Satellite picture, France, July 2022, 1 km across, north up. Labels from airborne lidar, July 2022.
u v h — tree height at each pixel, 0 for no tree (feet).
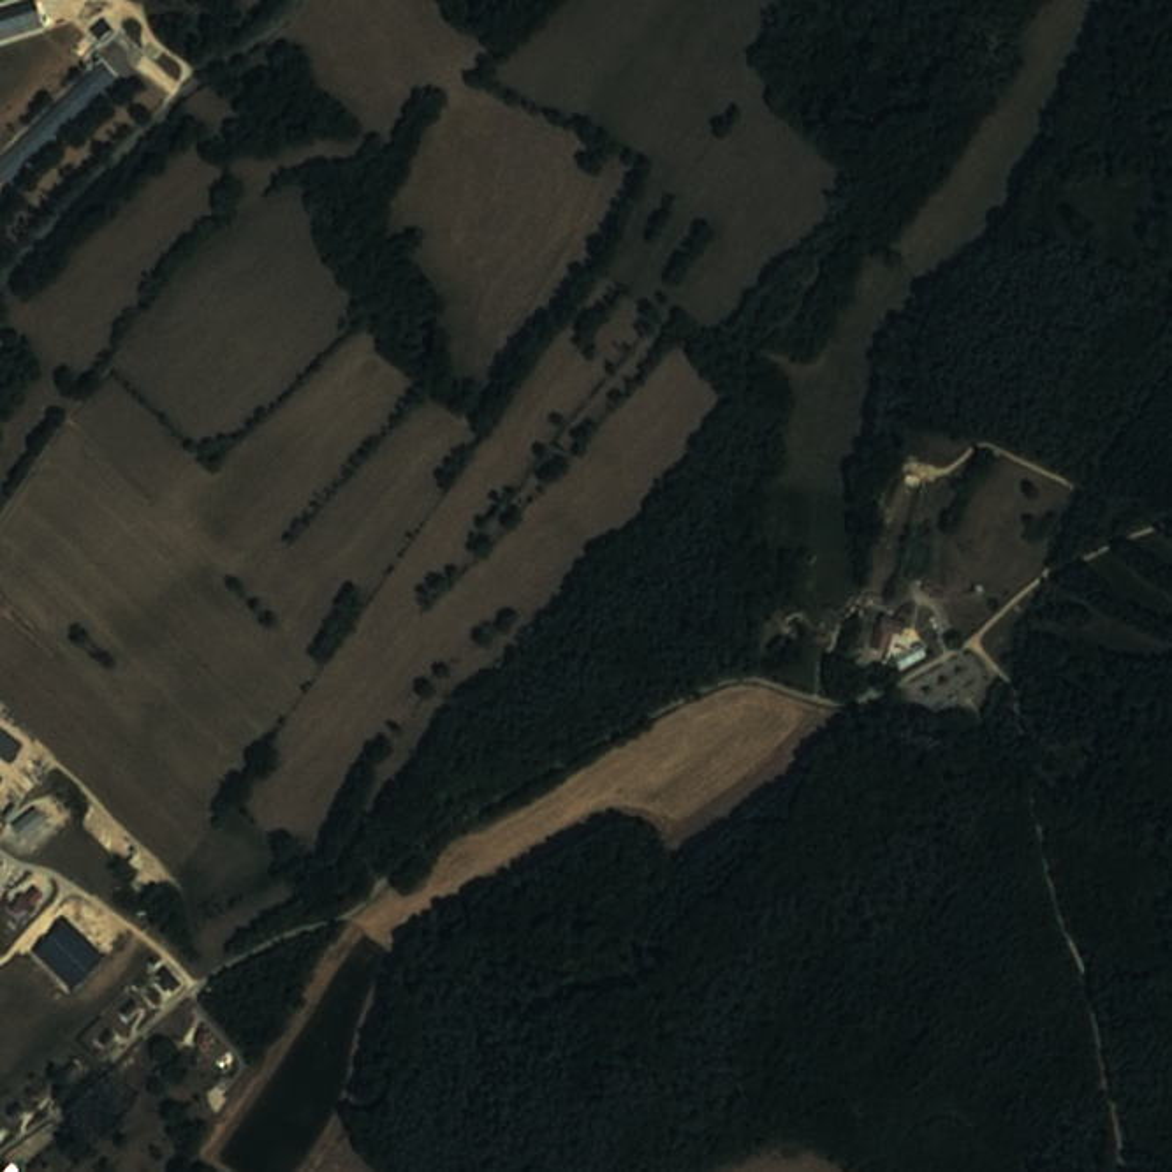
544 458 56
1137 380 55
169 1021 0
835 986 50
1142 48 73
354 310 36
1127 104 56
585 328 53
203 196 0
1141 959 41
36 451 39
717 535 76
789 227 0
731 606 88
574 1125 76
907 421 68
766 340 43
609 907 58
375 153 42
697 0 0
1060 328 73
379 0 0
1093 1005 41
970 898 55
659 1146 51
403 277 51
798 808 89
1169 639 67
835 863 58
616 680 68
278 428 0
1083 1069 41
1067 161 54
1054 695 90
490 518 25
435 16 0
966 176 0
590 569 55
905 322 69
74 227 53
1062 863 39
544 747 43
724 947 66
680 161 0
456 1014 73
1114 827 43
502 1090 76
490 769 49
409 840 46
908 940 67
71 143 54
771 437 64
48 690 0
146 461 0
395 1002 87
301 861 74
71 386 46
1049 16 0
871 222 60
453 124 0
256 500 0
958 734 53
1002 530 0
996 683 25
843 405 0
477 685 51
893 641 0
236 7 34
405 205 0
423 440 0
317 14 0
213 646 0
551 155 0
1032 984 33
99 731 0
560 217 0
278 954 32
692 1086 52
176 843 0
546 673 66
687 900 85
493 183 0
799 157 0
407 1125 63
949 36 28
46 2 0
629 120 0
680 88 0
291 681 0
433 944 104
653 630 70
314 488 0
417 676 0
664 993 78
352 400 0
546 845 0
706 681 60
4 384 54
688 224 0
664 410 0
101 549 0
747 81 0
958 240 0
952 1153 33
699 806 0
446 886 0
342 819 63
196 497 0
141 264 0
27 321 0
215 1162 0
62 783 0
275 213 0
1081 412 49
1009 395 78
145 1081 0
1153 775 70
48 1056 0
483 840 0
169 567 0
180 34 70
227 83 50
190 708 0
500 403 67
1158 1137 47
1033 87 0
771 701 0
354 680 0
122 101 50
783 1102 51
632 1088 81
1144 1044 40
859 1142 42
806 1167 0
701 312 0
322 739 0
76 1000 0
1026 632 28
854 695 52
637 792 0
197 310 0
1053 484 0
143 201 0
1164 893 33
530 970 68
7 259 62
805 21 52
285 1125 0
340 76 0
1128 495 56
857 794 54
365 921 0
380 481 0
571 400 0
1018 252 81
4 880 0
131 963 0
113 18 0
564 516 0
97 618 0
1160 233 75
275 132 63
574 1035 70
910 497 0
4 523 0
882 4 78
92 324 0
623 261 0
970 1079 36
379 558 0
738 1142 60
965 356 87
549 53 0
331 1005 0
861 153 78
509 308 0
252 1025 30
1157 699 72
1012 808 45
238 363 0
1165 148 69
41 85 0
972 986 37
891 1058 38
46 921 0
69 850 0
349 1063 0
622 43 0
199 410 0
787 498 0
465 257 0
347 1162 0
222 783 0
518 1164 79
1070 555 59
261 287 0
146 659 0
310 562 0
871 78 35
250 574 0
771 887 54
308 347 0
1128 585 0
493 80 33
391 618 0
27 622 0
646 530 65
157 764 0
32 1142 0
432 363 63
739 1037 72
